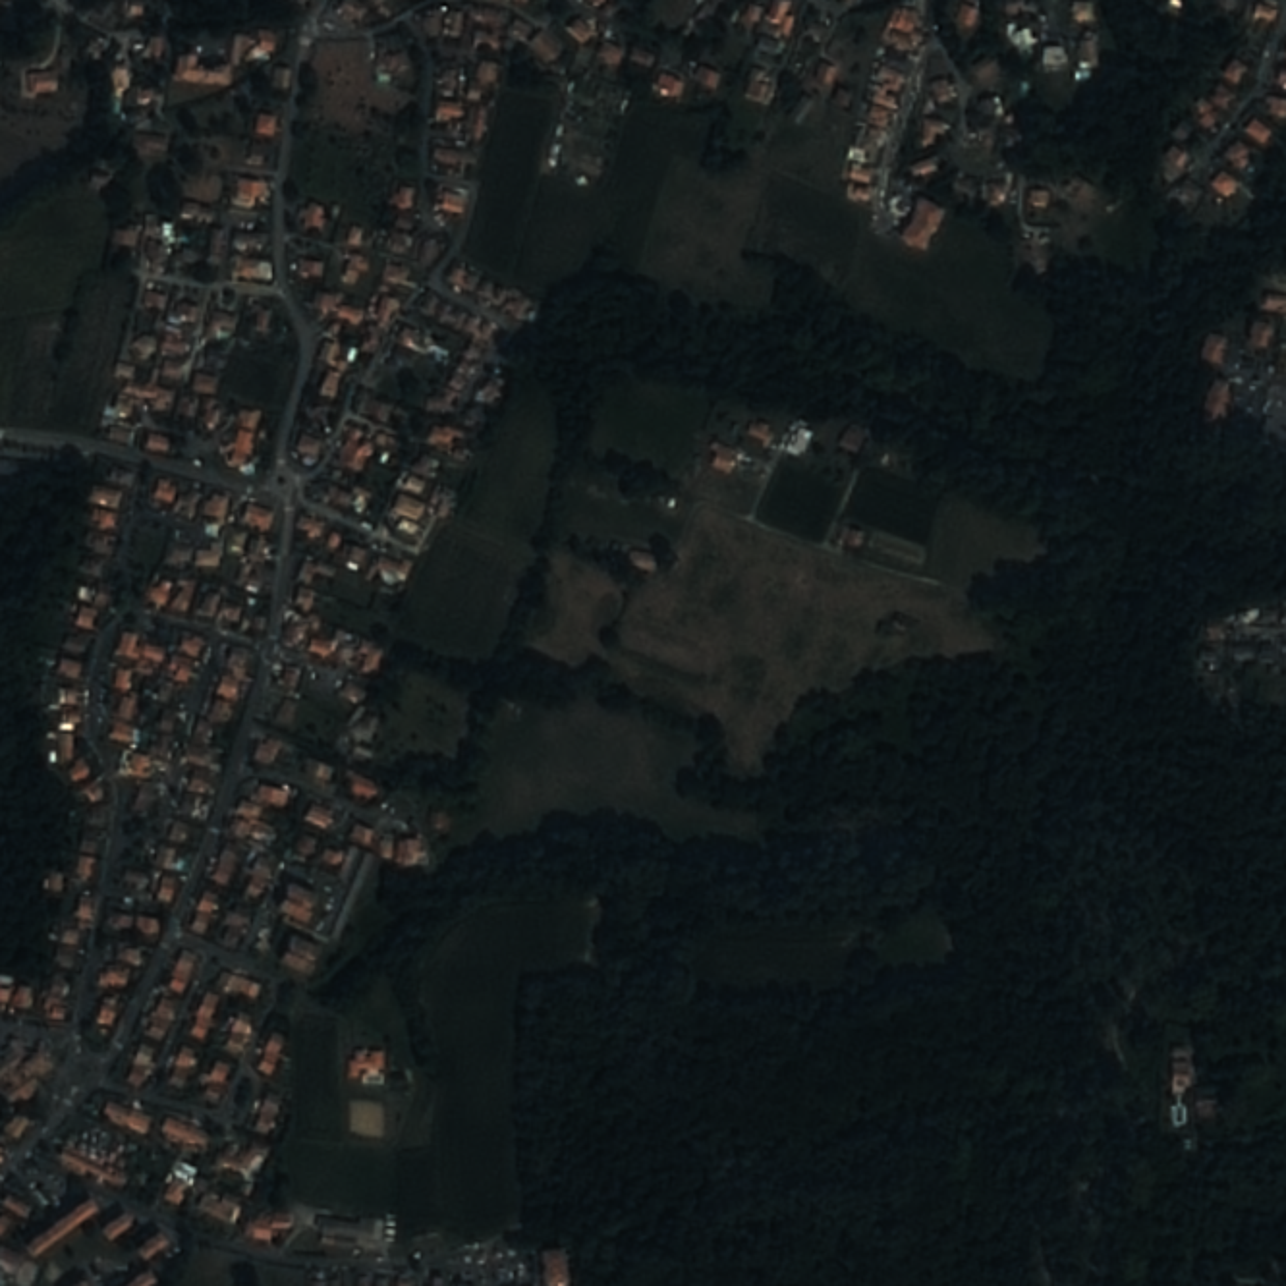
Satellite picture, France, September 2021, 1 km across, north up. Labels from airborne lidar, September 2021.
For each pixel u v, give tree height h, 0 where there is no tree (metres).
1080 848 27
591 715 0
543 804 0
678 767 0
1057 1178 19
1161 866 15
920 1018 19
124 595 13
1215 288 17
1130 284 20
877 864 25
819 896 22
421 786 28
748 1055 16
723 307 9
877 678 10
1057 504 28
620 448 0
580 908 0
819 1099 24
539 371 18
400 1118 0
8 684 9
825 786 14
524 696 17
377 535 0
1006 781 24
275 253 0
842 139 0
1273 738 11
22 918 22
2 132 0
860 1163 19
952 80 6
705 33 11
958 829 18
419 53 11
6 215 24
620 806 0
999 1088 19
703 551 0
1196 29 16
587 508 0
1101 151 27
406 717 0
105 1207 0
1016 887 25
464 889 12
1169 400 18
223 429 0
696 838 0
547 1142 7
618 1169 13
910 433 26
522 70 15
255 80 14
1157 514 14
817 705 7
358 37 0
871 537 0
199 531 0
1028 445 19
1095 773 18
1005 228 16
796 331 23
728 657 0
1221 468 30
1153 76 24
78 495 7
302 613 11
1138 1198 21
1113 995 24
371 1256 0
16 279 0
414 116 11
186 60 0
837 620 0
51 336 0
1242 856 11
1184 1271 18
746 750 0
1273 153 9
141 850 8
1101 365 27
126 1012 0
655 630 0
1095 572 25
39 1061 0
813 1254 23
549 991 15
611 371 17
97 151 10
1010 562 0
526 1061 9
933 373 21
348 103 0
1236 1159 12
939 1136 20
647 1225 19
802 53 0
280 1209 9
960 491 15
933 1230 22
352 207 0
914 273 0
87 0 19
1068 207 7
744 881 28
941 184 7
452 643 0
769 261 7
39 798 23
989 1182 22
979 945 24
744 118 0
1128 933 33
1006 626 18
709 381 15
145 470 9
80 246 0
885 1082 25
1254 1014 16
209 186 0
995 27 9
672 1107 17
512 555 0
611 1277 18
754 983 0
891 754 11
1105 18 17
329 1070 0
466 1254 0
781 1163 18
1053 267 6
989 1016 22
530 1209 8
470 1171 0
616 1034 19
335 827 0
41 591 7
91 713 0
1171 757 12
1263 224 19
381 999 0
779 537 0
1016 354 0
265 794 0
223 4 15
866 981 14
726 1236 14
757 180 0
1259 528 28
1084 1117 32
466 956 0
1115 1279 24
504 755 0
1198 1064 10
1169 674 21
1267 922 15
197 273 10
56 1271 0
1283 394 0
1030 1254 24
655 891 26
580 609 0
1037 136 35
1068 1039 30
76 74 6
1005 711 15
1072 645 26
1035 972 25
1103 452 17
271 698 0
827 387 14
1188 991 28
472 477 6
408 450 8
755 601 0
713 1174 20
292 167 0
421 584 0
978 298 0
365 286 0
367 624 0
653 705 8
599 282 19
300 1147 0
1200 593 21
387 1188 0
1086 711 19
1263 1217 12
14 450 8
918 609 0
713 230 0
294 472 0
